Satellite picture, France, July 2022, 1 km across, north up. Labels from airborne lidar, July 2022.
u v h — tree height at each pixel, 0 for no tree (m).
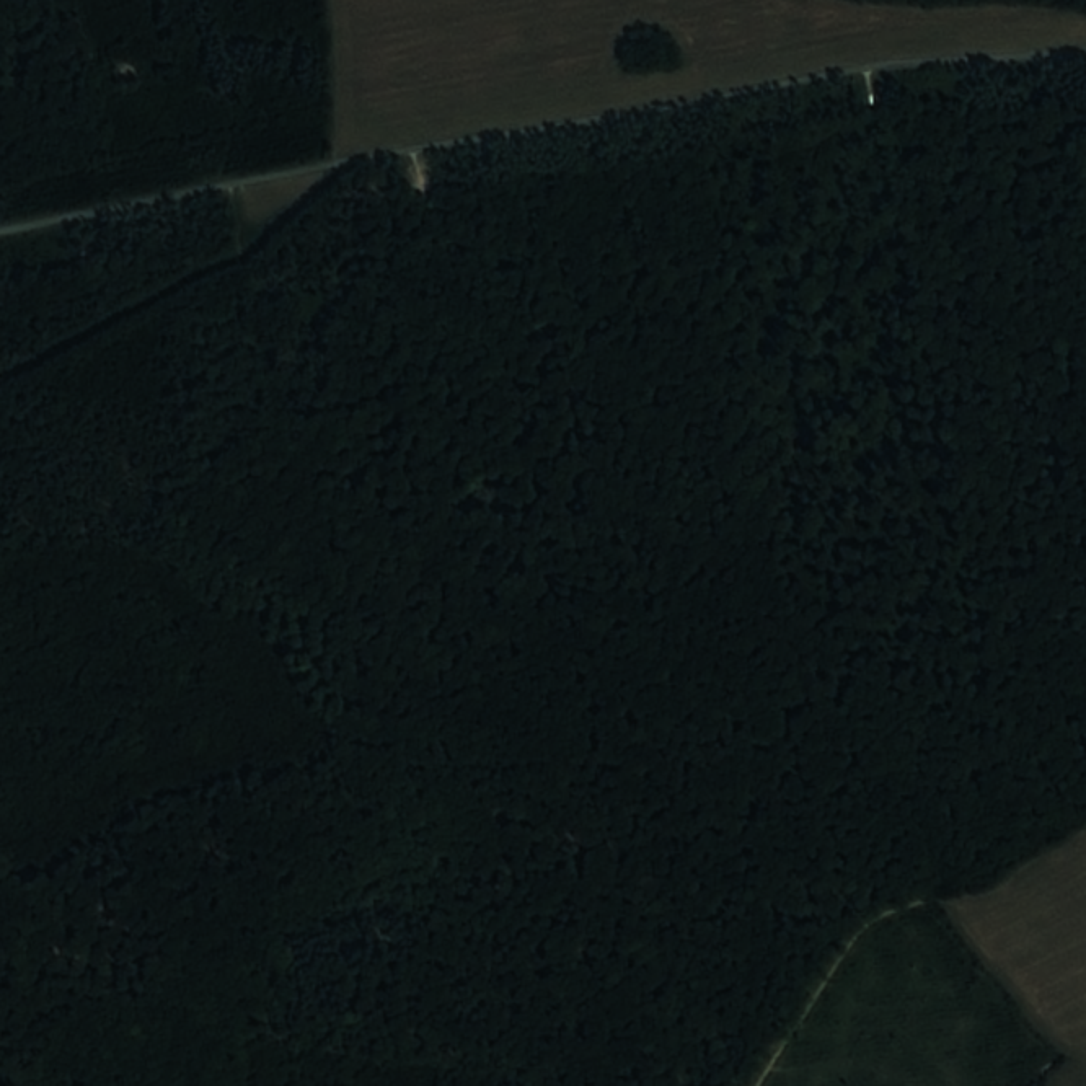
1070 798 26
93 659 23
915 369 32
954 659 30
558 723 26
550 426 33
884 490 34
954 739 26
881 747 31
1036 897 0
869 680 30
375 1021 27
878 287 26
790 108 22
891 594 28
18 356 23
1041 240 33
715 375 37
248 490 33
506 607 31
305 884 25
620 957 27
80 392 12
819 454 35
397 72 0
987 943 0
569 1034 28
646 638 28
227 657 16
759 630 28
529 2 0
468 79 0
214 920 25
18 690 10
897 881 30
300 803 27
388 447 23
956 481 36
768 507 31
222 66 26
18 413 27
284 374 32
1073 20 0
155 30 11
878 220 26
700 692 28
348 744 28
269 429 29
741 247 28
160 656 25
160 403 8
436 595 34
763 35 0
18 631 11
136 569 12
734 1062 28
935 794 30
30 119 26
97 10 7
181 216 16
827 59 0
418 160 0
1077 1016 0
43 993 31
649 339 33
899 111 23
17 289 23
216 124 6
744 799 26
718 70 0
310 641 35
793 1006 27
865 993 0
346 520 32
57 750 15
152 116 6
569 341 31
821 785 31
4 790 7
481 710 26
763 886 27
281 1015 25
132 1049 28
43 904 32
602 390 31
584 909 25
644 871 28
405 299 26
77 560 15
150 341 10
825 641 26
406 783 25
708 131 27
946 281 30
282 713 11
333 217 13
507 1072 25
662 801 25
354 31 0
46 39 28
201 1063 29
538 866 28
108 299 19
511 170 29
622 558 31
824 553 31
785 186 26
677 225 25
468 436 32
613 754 24
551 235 23
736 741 28
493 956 24
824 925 29
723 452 35
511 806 27
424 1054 24
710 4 0
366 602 30
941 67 13
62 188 8
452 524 33
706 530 35
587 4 0
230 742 12
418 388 30
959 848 30
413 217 24
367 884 11
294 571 32
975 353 38
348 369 29
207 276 18
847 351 31
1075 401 39
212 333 27
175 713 15
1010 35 0
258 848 28
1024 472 39
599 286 29
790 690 27
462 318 24
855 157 26
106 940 30
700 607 28
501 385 27
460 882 25
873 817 33
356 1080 17
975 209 29
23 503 23
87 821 7
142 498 18
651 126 29
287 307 29
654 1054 27
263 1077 10
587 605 32
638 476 36
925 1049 0
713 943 25
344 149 0
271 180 0
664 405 28
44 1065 30
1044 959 0
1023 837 26
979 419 38
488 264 24
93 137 27
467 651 31
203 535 31
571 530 31
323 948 34
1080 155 29
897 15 0
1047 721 30
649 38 23
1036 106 25
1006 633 25
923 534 33
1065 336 33
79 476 22
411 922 25
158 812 27
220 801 25
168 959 29
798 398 28
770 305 30
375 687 32
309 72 27
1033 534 29
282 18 12
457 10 0
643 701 28
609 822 27
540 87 0
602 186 27
